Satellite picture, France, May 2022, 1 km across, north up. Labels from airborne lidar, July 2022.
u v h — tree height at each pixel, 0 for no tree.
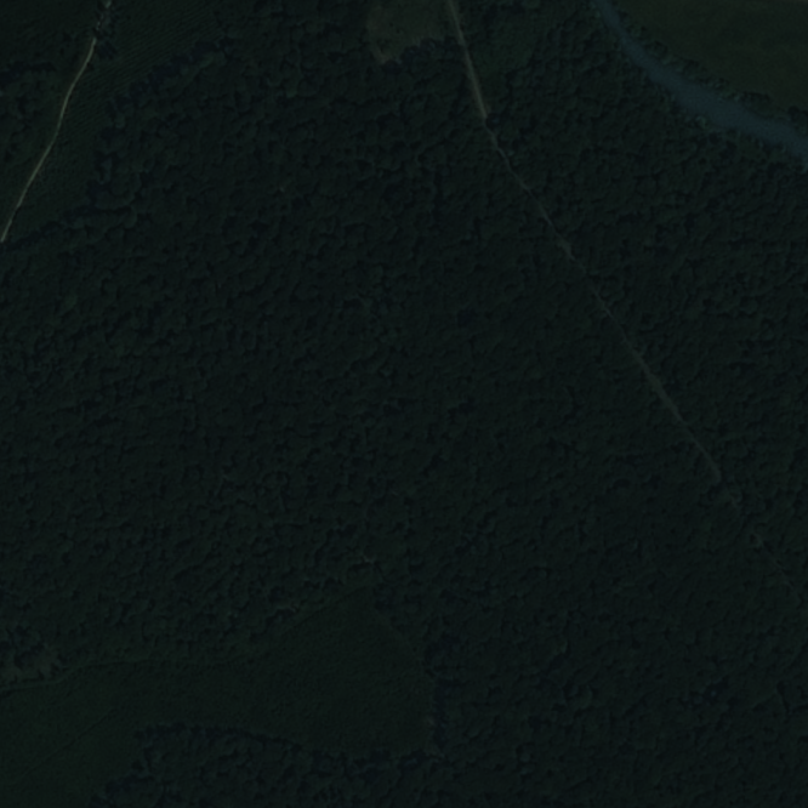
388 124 33
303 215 31
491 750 32
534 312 25
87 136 7
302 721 6
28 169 6
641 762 27
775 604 26
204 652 24
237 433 26
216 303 28
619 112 27
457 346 28
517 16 36
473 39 13
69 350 23
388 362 25
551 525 31
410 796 27
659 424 25
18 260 29
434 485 29
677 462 30
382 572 25
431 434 29
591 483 26
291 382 31
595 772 24
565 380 31
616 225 31
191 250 30
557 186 24
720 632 26
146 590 25
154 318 30
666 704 33
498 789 30
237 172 29
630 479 31
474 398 28
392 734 6
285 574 26
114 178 31
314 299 28
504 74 13
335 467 28
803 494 26
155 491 16
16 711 7
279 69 30
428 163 25
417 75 30
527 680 27
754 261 28
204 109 29
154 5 6
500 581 28
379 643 6
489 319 29
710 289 28
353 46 25
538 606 26
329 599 7
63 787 6
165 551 26
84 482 26
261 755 30
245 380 31
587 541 27
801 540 28
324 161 28
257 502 28
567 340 25
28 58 9
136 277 27
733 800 28
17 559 25
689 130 31
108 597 24
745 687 32
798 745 30
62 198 8
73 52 7
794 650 23
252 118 20
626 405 27
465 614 31
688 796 28
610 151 14
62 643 25
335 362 30
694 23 0
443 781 30
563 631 34
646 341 22
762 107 19
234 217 30
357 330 27
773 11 0
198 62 30
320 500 27
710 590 32
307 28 32
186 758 31
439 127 29
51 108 27
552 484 31
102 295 29
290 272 33
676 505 29
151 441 28
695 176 31
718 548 29
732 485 25
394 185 19
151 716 8
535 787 29
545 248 28
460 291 24
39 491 27
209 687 7
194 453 29
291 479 30
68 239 28
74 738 6
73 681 6
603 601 27
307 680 8
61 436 28
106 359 26
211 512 30
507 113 12
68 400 33
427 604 30
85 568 27
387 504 30
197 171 30
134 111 28
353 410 27
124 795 27
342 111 28
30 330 25
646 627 25
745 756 30
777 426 26
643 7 0
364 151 26
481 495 25
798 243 31
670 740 33
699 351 29
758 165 12
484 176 24
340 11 33
